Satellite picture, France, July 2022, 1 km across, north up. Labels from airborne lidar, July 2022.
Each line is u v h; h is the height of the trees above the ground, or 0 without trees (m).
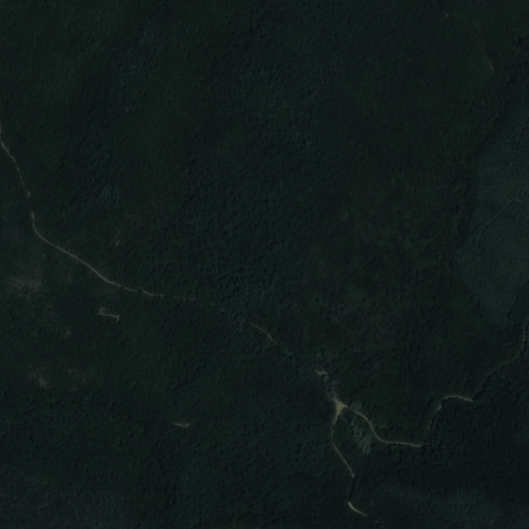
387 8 13
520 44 17
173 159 12
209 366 16
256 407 17
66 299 10
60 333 9
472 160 15
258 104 12
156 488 23
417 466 26
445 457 18
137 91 7
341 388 13
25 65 14
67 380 8
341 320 16
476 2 12
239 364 16
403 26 14
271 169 17
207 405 13
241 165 11
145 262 9
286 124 9
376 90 8
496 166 11
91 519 10
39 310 8
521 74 18
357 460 11
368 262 15
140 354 17
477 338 14
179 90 9
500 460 23
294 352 10
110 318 10
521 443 20
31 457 24
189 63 11
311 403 16
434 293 9
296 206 8
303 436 18
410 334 15
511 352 18
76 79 11
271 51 15
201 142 22
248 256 6
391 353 14
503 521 12
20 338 13
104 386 9
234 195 20
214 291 10
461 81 18
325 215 13
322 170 11
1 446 24
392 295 18
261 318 9
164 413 15
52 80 13
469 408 24
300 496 21
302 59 13
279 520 8
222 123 16
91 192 12
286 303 10
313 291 7
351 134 14
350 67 11
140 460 19
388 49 10
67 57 11
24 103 20
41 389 10
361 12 11
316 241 6
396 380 10
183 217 13
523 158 13
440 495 17
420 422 16
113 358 14
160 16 16
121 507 11
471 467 20
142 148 7
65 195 14
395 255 14
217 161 14
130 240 14
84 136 18
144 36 19
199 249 18
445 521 18
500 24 15
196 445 12
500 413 26
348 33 15
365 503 19
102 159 15
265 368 18
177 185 12
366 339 13
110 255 10
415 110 16
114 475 21
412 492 15
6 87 8
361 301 7
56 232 7
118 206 12
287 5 16
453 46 18
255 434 16
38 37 11
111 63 16
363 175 7
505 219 14
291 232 12
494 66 12
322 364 12
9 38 7
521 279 8
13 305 13
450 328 10
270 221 8
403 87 12
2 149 9
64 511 7
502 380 15
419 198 12
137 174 14
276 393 18
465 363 14
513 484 25
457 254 10
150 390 16
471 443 19
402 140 14
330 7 15
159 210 8
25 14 11
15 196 8
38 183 15
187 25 13
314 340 11
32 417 24
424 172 18
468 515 19
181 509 23
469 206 11
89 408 23
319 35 11
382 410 14
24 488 8
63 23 14
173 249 9
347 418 10
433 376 14
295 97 12
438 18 15
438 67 19
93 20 13
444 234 9
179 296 13
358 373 10
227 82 15
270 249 11
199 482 10
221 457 20
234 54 26
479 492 17
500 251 8
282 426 17
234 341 14
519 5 11
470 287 13
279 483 23
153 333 15
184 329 21
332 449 15
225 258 12
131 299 11
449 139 14
